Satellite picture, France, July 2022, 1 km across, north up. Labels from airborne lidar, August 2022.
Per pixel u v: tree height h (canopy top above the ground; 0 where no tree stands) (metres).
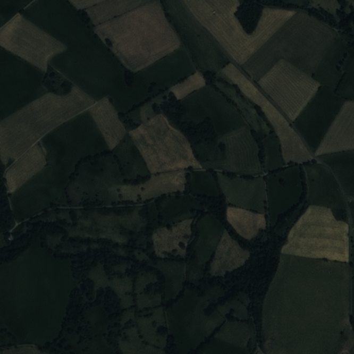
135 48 0
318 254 0
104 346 0
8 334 15
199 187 0
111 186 0
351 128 0
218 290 0
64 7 0
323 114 0
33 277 0
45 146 0
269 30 0
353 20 13
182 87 0
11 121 0
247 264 17
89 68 0
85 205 16
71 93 0
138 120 0
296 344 0
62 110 0
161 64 0
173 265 0
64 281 0
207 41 0
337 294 0
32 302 0
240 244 19
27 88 0
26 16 0
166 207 0
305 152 0
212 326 0
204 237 0
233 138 0
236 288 11
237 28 0
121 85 0
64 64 0
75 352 0
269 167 0
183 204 0
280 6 6
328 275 0
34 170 0
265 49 0
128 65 0
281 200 0
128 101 0
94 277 0
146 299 0
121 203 7
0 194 17
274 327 0
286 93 0
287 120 0
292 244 0
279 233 0
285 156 0
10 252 15
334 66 0
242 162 0
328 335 0
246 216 0
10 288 0
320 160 0
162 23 0
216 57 0
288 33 0
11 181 0
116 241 0
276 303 0
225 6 0
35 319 0
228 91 0
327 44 0
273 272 15
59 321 0
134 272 18
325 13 10
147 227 12
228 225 8
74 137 0
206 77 16
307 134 0
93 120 0
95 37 12
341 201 0
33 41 0
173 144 0
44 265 0
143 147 0
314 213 0
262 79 0
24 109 0
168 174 0
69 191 0
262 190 0
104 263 14
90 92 0
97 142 0
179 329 0
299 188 0
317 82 0
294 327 0
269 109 0
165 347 0
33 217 8
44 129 0
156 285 16
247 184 0
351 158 0
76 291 12
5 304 0
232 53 0
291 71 0
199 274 0
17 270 0
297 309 0
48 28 0
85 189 0
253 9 15
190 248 14
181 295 15
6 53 0
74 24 0
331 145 0
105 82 0
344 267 0
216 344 0
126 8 0
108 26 0
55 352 16
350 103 0
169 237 0
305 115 0
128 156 0
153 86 15
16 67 0
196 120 0
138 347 0
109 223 0
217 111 0
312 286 0
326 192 0
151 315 6
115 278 0
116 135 0
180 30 0
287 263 0
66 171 0
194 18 0
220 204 17
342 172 0
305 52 0
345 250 0
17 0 0
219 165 0
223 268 0
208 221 0
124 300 0
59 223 6
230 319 18
